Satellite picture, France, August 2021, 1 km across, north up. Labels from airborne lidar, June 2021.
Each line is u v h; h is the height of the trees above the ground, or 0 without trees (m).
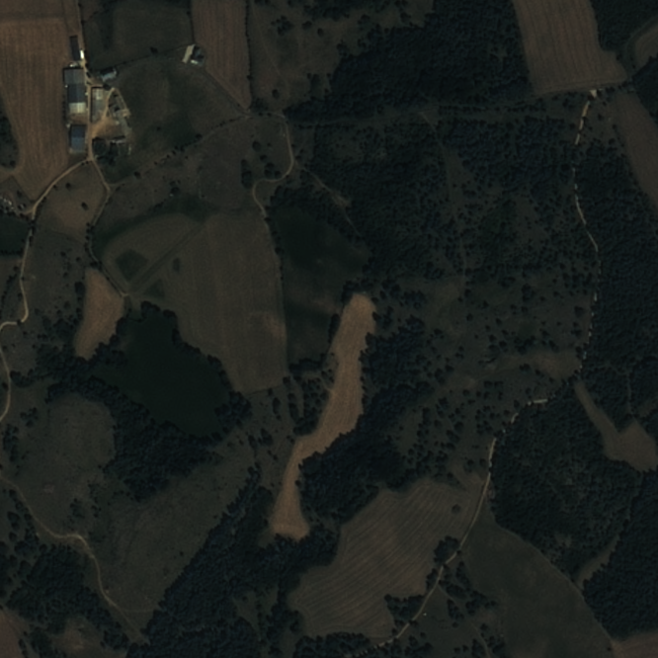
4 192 0
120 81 0
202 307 0
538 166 7
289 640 0
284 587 12
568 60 0
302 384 6
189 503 0
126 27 0
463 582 12
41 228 0
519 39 12
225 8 0
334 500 15
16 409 0
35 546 10
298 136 0
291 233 0
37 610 10
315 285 0
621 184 9
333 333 12
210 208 0
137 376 0
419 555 0
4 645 0
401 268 6
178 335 14
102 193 0
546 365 0
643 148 0
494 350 11
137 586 0
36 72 0
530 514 6
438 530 0
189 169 0
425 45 14
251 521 12
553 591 0
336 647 13
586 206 7
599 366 6
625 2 10
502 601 0
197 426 0
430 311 0
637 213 9
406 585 0
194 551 0
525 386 0
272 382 0
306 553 16
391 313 11
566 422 8
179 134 0
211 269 0
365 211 6
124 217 0
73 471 0
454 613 13
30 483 0
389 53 18
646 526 10
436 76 20
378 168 13
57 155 0
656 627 10
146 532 0
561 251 8
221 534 19
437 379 10
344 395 0
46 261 0
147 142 0
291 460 0
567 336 0
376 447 14
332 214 8
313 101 12
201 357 16
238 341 0
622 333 8
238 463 0
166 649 19
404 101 11
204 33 0
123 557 0
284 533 0
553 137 10
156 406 0
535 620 0
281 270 6
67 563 9
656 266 8
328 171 6
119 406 12
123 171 0
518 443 9
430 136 13
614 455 0
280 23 8
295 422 7
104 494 0
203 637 17
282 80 0
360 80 19
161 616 14
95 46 0
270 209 10
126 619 0
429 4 0
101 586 0
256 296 0
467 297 11
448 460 13
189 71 0
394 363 8
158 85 0
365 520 0
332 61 0
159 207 8
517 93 17
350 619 0
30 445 0
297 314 0
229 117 0
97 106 0
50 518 0
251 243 0
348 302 11
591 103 11
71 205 0
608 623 14
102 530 0
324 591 0
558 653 0
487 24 17
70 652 0
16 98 0
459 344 0
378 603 0
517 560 0
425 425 9
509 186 13
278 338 0
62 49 0
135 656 17
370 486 8
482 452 0
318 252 0
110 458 0
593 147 9
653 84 15
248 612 0
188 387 0
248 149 0
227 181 0
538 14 0
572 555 8
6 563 12
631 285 10
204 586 17
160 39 0
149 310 17
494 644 7
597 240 9
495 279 12
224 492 0
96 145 8
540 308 0
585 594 9
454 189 7
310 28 9
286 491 0
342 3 14
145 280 0
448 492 0
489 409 7
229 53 0
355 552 0
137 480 13
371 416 11
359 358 0
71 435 0
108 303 0
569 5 0
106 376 0
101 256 0
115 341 12
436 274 11
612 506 7
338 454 18
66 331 11
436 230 9
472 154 9
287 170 0
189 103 0
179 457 15
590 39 0
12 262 0
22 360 0
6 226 0
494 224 9
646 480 11
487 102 9
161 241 0
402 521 0
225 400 0
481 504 0
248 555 22
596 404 9
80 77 0
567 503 6
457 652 8
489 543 0
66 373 13
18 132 0
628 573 13
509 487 8
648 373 11
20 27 0
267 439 12
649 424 10
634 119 0
